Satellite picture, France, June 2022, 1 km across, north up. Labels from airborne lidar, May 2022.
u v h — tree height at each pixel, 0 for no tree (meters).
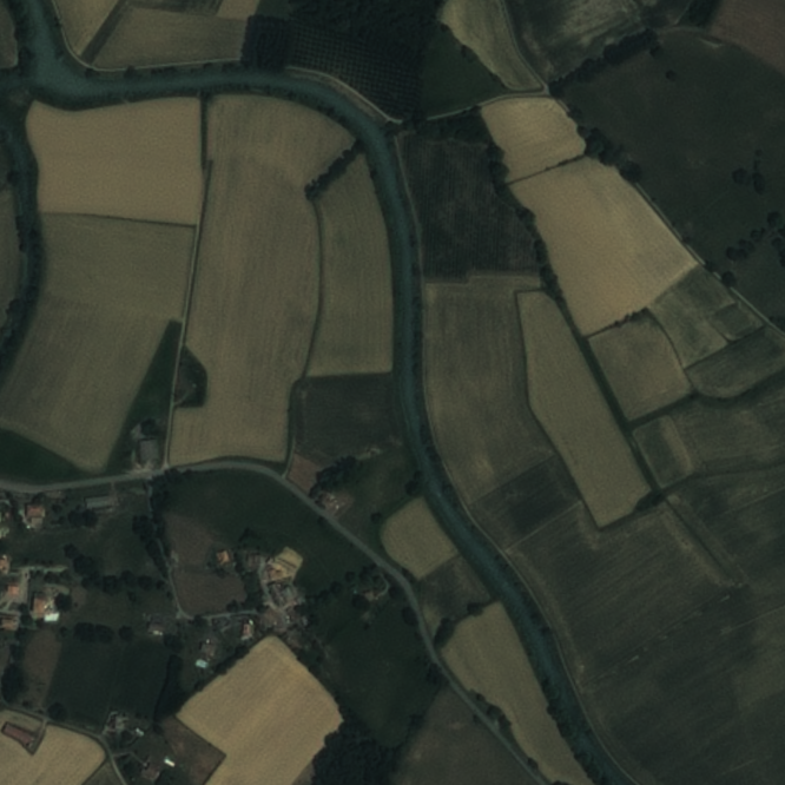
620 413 0
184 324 0
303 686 0
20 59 11
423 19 15
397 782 0
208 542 0
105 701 0
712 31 0
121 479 0
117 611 0
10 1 10
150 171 0
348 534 0
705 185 0
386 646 0
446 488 11
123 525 0
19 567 0
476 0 0
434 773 0
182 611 0
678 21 0
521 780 0
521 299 0
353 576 18
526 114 0
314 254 0
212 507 0
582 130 14
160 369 0
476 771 0
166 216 0
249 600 8
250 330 0
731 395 0
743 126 0
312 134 0
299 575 0
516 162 0
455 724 0
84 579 7
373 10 13
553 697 13
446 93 0
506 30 0
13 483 0
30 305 9
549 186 0
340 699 13
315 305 0
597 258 0
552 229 0
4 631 6
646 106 0
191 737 0
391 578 9
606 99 0
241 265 0
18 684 18
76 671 0
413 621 16
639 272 0
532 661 0
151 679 0
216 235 0
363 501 0
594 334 0
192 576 0
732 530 0
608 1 0
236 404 0
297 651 7
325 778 24
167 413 0
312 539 0
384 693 0
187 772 0
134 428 0
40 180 0
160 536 15
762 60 0
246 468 0
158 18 0
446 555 0
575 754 7
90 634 21
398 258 5
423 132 24
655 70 0
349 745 12
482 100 0
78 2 0
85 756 0
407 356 0
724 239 0
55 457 0
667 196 0
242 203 0
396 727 0
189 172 0
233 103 0
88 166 0
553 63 0
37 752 0
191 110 0
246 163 0
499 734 0
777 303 0
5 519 0
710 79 0
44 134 0
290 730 0
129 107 0
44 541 0
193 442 0
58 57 14
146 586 20
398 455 0
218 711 0
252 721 0
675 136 0
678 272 0
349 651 0
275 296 0
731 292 0
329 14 7
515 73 0
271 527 0
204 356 0
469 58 12
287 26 27
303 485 0
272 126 0
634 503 0
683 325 0
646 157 0
